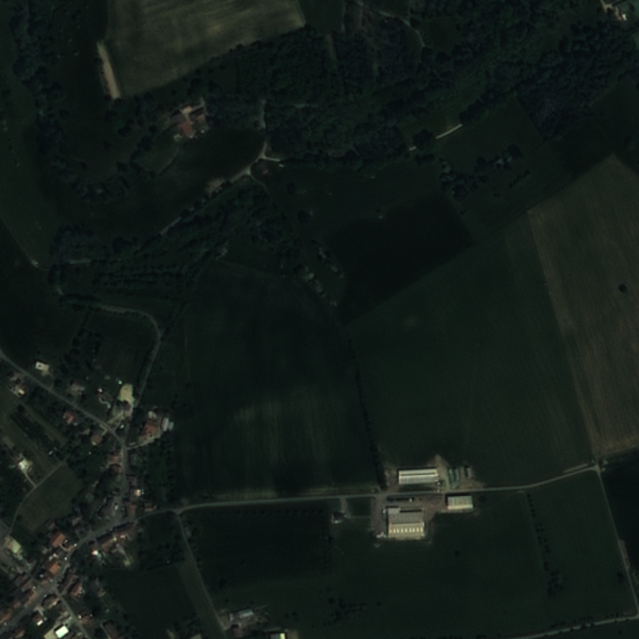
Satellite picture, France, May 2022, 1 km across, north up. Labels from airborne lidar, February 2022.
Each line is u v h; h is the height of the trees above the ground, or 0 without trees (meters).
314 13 0
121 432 11
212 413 0
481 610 0
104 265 15
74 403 0
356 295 0
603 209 0
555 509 0
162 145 0
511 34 28
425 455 0
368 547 0
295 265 13
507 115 0
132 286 10
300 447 0
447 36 0
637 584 0
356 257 0
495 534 0
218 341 0
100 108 0
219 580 0
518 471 0
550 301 0
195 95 20
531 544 0
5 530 0
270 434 0
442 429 0
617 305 0
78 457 9
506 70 29
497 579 0
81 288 0
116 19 0
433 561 0
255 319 0
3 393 0
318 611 0
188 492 0
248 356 0
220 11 0
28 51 16
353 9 23
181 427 0
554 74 28
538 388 0
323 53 20
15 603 0
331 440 0
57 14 0
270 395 0
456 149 0
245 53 17
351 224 0
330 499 0
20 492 9
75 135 0
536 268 0
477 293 0
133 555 0
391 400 0
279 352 0
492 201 0
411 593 0
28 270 0
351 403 0
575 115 18
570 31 0
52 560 0
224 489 0
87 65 0
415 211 0
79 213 0
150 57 0
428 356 0
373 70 12
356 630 0
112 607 0
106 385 0
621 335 0
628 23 0
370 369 0
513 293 0
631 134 0
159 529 0
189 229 17
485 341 0
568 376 0
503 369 0
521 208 0
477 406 0
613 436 0
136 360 0
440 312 0
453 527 0
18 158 0
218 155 0
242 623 0
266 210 23
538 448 0
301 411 0
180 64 0
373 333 0
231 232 6
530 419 0
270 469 0
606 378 0
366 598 0
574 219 0
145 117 18
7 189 0
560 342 0
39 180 0
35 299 0
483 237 0
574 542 0
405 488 0
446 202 0
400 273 0
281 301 0
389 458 0
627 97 0
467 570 0
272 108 22
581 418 0
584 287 0
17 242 0
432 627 0
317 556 0
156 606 0
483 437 0
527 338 0
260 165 6
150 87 0
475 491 0
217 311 0
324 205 0
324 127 18
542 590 0
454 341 0
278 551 0
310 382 0
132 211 0
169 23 0
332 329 0
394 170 0
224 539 0
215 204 0
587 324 0
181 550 9
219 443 0
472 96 0
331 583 0
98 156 0
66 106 0
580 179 0
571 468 0
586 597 0
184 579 0
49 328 0
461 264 0
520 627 0
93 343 0
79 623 0
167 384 0
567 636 0
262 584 0
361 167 18
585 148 0
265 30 0
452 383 0
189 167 0
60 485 0
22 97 0
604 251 0
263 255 0
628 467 0
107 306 0
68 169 21
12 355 0
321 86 18
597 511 0
